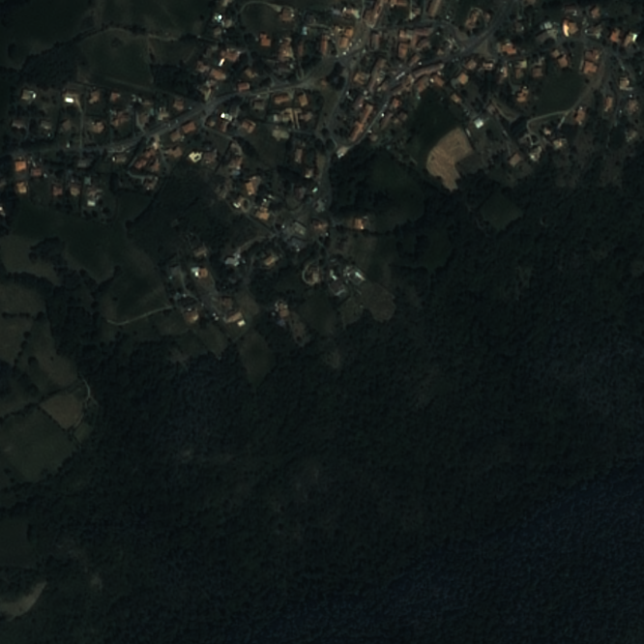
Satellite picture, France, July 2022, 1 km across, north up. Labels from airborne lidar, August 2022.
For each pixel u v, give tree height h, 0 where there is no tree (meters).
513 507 24
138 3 0
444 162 0
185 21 0
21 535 0
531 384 22
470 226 11
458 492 13
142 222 7
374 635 21
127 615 17
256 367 0
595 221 10
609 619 17
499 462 10
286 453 8
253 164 0
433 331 10
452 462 7
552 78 0
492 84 12
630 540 14
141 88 0
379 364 13
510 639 16
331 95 0
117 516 19
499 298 8
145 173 10
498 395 24
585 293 9
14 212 22
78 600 12
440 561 30
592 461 21
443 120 0
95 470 12
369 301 0
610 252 7
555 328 12
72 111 9
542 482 29
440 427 10
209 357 11
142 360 9
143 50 0
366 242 0
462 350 17
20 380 19
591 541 30
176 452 7
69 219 0
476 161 0
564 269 6
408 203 0
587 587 13
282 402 9
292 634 25
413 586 24
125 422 20
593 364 19
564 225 9
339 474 6
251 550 20
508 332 16
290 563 13
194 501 13
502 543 30
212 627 37
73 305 16
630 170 10
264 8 0
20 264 0
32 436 0
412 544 25
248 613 22
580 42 0
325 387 16
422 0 8
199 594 17
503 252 11
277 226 10
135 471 23
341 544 11
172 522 33
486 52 0
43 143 15
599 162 7
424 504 15
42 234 0
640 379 11
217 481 8
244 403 7
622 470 35
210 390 13
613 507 20
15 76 15
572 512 29
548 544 19
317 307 0
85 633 10
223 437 15
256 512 12
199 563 22
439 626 15
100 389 14
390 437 20
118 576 10
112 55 0
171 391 13
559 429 14
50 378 0
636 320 16
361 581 18
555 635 18
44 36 0
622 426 14
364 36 0
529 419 25
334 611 23
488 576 27
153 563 13
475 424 9
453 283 20
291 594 13
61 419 0
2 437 0
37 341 0
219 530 16
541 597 19
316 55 9
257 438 9
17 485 12
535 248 16
